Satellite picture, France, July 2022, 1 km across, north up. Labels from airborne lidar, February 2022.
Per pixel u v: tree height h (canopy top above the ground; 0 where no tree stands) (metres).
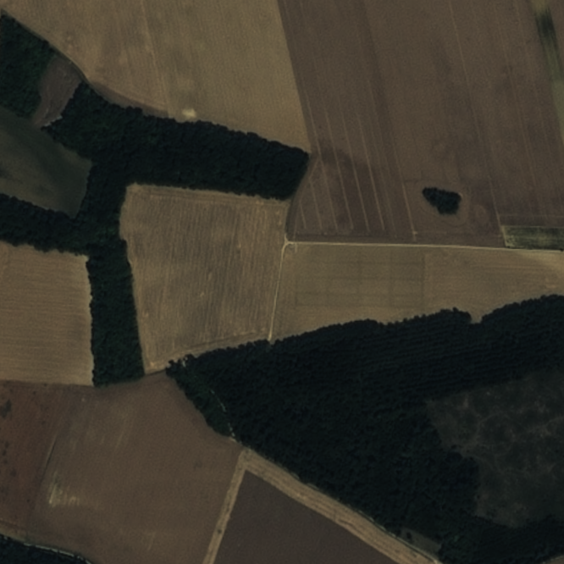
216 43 0
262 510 0
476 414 0
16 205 21
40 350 0
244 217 0
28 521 0
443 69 0
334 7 0
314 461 19
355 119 0
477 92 0
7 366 0
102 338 17
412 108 0
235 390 14
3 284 0
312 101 0
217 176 22
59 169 0
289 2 0
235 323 0
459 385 12
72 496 0
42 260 0
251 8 0
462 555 11
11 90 14
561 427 0
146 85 0
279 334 0
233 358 22
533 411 0
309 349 14
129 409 0
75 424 0
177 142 22
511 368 20
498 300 0
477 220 0
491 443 0
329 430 8
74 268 0
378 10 0
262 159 24
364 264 0
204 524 0
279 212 0
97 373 13
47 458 0
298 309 0
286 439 7
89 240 11
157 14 0
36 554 20
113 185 22
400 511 13
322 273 0
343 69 0
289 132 0
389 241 0
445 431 0
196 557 0
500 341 18
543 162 0
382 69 0
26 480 0
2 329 0
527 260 0
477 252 0
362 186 0
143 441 0
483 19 0
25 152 0
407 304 0
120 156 26
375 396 10
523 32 0
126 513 0
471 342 18
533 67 0
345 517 0
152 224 0
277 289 0
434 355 15
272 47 0
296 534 0
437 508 22
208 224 0
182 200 0
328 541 0
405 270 0
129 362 17
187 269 0
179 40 0
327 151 0
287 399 21
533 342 19
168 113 0
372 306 0
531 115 0
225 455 0
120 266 18
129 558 0
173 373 16
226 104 0
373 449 10
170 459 0
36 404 0
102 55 0
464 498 20
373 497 7
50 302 0
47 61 8
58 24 0
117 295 18
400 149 0
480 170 0
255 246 0
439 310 0
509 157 0
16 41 9
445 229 0
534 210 0
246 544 0
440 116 0
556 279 0
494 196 0
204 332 0
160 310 0
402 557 0
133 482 0
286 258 0
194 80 0
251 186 20
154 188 0
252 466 0
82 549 0
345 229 0
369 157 0
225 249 0
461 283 0
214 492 0
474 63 0
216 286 0
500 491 0
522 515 0
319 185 0
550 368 12
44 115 0
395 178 0
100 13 0
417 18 0
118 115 12
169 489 0
